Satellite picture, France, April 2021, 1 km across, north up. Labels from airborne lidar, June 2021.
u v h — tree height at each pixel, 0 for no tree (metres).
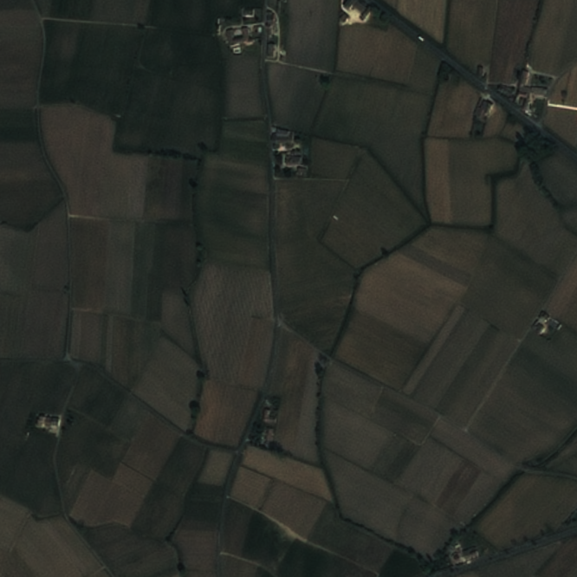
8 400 0
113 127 0
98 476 0
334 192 0
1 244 0
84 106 0
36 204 0
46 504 0
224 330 0
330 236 0
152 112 0
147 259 0
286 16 0
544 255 0
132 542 0
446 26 0
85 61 0
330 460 0
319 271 0
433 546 0
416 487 0
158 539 0
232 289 0
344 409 0
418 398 0
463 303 0
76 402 0
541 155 17
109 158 0
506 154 0
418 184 0
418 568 0
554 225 0
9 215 0
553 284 0
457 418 0
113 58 0
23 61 0
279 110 0
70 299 0
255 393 0
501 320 0
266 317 0
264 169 0
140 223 0
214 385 0
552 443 0
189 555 0
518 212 0
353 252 0
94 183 0
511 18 0
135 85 0
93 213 0
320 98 0
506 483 0
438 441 0
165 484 0
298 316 0
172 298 0
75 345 0
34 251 0
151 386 0
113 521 0
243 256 0
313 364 0
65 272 0
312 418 0
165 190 0
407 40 0
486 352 0
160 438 0
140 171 0
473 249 0
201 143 0
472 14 0
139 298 0
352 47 0
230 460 0
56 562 0
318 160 0
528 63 0
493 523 0
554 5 0
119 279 0
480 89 0
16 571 0
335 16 0
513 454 0
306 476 0
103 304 0
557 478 0
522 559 0
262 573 0
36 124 0
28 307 0
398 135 0
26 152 0
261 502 0
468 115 0
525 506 0
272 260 0
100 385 0
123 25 0
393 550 0
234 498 0
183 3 0
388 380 0
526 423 0
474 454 0
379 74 0
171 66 0
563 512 0
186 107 0
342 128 0
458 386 0
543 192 18
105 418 0
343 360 0
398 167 0
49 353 0
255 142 0
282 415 0
